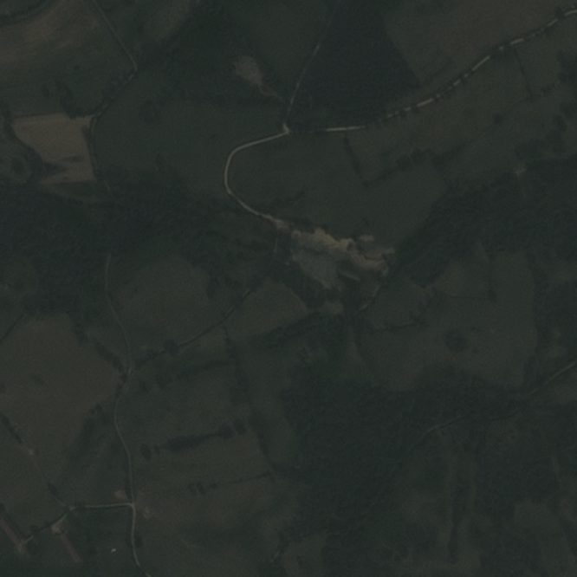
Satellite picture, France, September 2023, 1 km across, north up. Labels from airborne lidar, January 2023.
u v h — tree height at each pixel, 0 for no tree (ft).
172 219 67
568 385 0
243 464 0
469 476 0
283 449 0
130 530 34
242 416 0
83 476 0
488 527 0
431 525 0
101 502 0
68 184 0
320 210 0
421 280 36
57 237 24
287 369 0
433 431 0
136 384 0
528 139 0
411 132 0
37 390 0
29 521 0
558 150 52
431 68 0
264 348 0
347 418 65
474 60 0
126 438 0
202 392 0
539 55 0
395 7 0
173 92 43
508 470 60
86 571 0
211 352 0
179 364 0
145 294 0
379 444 64
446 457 0
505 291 0
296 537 45
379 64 50
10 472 0
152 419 0
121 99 0
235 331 0
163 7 0
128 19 0
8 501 0
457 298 0
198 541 0
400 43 0
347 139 28
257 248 50
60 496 0
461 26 0
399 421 64
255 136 0
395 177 0
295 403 73
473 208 26
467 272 0
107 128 0
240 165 0
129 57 0
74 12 0
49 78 0
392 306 0
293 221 54
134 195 32
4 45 0
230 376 0
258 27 0
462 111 0
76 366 0
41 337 0
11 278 0
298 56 0
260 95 0
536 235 41
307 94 52
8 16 19
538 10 0
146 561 0
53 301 54
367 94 60
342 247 0
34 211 58
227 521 0
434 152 0
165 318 0
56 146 0
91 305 0
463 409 28
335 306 0
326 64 70
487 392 56
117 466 0
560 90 0
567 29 0
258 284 36
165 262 0
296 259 0
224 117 0
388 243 0
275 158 0
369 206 0
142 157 0
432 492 0
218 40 0
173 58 24
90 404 0
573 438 73
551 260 47
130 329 0
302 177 0
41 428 0
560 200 0
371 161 0
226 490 0
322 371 0
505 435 0
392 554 0
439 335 0
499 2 0
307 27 0
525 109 0
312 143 0
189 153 0
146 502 0
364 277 0
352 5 52
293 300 0
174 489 0
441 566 0
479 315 0
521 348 0
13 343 0
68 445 0
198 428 0
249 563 0
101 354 51
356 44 56
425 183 0
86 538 53
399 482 0
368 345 0
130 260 0
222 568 0
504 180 42
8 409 0
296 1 0
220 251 0
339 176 0
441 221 27
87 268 26
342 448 68
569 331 0
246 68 0
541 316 38
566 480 0
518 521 0
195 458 0
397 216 0
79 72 0
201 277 0
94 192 0
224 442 0
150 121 36
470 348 0
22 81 0
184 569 0
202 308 0
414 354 0
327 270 0
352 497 23
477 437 37
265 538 0
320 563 0
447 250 26
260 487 0
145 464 0
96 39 0
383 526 0
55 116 0
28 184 27
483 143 0
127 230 66
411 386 0
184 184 0
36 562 0
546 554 0
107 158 0
